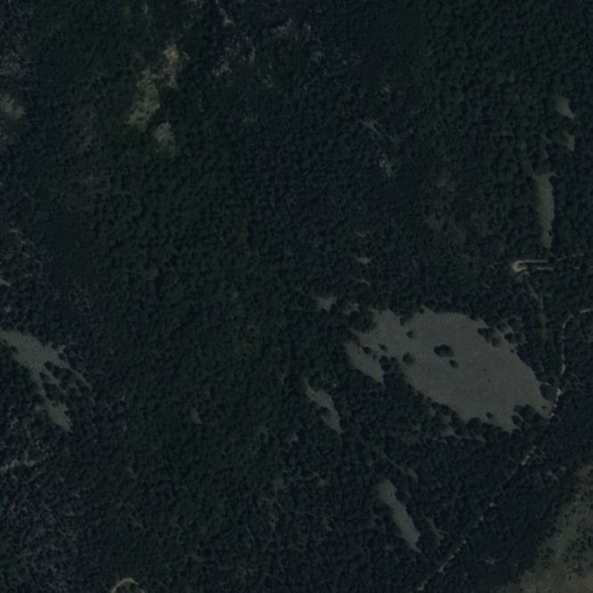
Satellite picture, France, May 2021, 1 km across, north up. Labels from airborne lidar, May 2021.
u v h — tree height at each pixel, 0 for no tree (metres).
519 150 23
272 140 20
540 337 15
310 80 17
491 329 11
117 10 23
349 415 23
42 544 11
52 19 6
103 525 15
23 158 18
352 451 29
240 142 13
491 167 14
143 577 18
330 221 21
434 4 34
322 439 23
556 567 0
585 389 17
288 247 21
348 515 22
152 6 10
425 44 19
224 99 8
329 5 13
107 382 19
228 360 19
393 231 16
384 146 13
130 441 24
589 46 22
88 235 22
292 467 24
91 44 15
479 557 17
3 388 23
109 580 15
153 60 10
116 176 16
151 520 24
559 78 19
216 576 14
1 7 13
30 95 15
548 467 15
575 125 19
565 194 21
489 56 21
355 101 18
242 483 10
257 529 20
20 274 21
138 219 10
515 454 21
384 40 19
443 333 0
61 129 14
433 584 15
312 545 12
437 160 13
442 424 14
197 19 12
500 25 24
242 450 26
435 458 18
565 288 21
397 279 18
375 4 17
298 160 12
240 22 22
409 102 14
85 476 18
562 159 26
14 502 9
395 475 22
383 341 0
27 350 0
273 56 8
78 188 16
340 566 19
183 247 33
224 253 26
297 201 11
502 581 14
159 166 31
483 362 0
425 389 0
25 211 18
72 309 15
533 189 23
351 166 17
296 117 14
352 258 17
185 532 12
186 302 23
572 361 11
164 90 7
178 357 24
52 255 11
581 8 8
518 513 16
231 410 25
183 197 29
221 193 20
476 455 20
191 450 27
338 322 18
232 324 23
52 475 13
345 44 12
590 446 16
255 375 26
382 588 21
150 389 28
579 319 16
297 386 26
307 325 25
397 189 12
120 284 21
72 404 26
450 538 11
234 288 19
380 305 21
